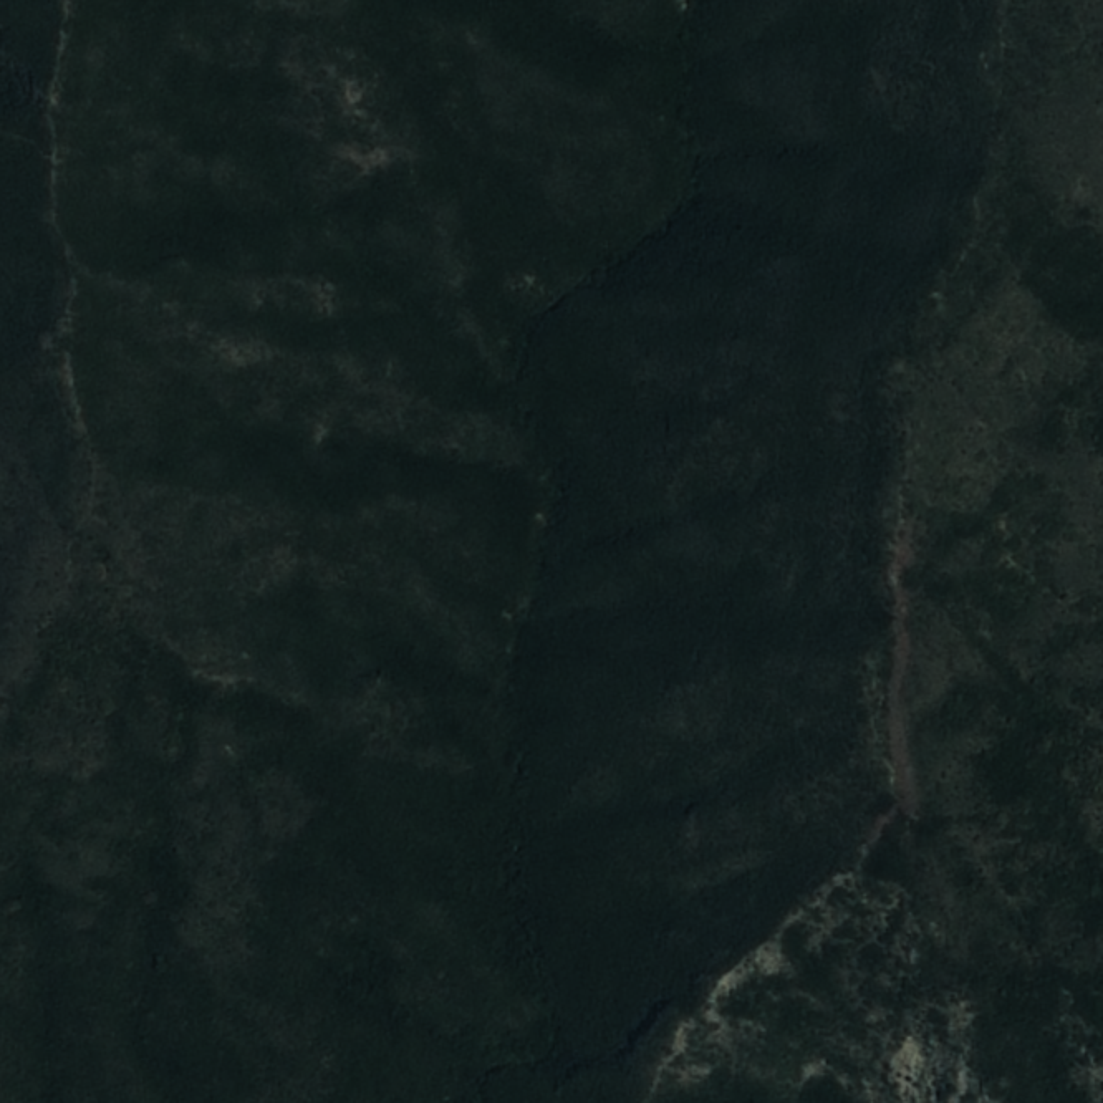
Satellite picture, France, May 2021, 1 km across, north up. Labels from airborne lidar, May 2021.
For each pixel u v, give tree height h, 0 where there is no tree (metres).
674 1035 0
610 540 7
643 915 5
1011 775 5
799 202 5
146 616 6
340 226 7
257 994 6
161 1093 8
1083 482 0
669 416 7
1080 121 0
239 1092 5
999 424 0
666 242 7
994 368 0
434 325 7
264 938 6
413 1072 7
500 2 7
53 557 0
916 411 0
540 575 10
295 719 6
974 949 5
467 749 6
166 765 6
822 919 6
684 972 6
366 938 8
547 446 9
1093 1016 6
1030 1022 7
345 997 9
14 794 6
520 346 12
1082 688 7
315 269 6
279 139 6
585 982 6
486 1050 6
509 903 10
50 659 6
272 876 6
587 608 7
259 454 6
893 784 0
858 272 6
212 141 6
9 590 6
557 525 8
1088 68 0
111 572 5
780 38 6
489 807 7
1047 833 8
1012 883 6
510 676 10
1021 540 6
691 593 7
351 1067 7
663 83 6
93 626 9
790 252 6
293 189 7
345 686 6
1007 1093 6
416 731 7
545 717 5
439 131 6
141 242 6
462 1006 7
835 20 5
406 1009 8
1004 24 0
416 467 5
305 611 6
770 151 7
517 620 12
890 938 7
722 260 6
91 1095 6
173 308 0
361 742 6
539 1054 7
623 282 7
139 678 7
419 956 6
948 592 6
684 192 6
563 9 6
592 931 6
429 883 7
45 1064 8
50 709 7
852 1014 6
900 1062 0
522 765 10
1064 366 0
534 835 8
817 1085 6
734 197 8
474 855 8
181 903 6
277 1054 6
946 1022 6
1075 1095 6
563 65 7
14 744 6
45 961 7
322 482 5
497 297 6
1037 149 0
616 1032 6
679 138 6
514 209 6
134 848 6
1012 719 10
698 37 6
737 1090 6
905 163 5
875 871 6
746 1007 6
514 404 10
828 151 7
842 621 5
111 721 6
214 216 6
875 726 0
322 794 6
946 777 8
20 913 7
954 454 0
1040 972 7
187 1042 5
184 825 6
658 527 7
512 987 7
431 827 6
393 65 5
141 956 6
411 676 7
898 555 0
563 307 6
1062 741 6
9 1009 5
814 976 7
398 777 6
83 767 8
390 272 6
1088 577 0
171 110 6
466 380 6
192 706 6
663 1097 5
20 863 5
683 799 6
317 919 7
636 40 8
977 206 0
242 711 6
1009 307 0
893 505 0
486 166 6
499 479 6
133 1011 6
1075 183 0
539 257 6
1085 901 8
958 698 8
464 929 6
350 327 6
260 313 5
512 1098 5
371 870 6
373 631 6
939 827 6
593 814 5
